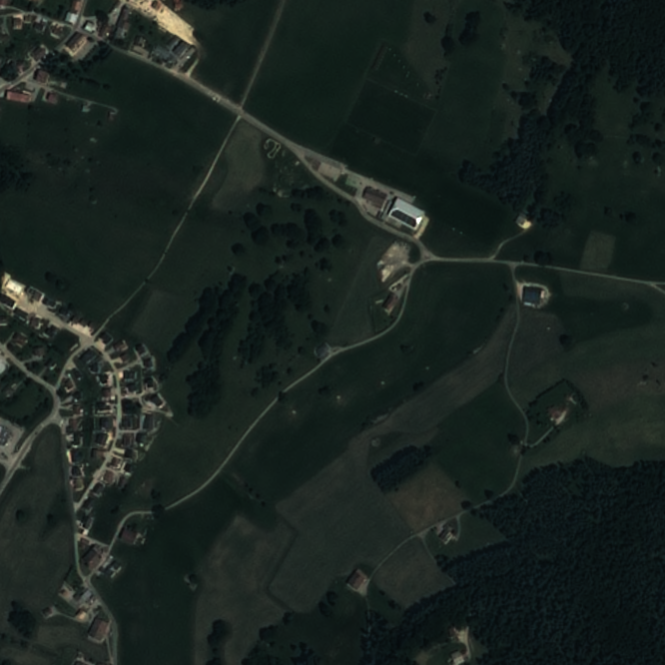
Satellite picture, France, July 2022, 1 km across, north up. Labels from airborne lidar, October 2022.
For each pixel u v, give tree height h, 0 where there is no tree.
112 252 0
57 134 0
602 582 16
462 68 0
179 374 0
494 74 0
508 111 0
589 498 19
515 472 0
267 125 0
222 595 0
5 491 0
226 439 0
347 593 0
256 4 0
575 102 19
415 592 0
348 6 0
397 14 0
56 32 6
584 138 11
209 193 0
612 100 0
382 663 25
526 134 21
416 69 0
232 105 0
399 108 0
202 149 0
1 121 0
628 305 0
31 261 0
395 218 0
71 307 10
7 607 0
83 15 0
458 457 0
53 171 0
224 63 0
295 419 0
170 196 0
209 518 0
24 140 0
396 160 0
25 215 0
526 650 15
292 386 0
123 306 0
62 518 0
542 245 0
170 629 0
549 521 19
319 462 0
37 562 0
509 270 0
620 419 0
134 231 0
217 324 12
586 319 0
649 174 0
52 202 0
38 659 0
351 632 0
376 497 0
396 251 0
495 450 0
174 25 0
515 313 0
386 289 0
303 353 9
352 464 0
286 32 0
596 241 0
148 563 0
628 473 15
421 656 0
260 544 0
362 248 0
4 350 0
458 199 0
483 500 0
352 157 0
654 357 0
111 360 0
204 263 0
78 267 0
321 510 0
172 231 0
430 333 0
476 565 23
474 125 0
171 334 0
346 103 0
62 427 0
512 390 0
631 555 18
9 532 0
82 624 0
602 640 16
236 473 0
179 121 0
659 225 0
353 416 0
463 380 0
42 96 0
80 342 0
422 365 0
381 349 0
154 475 0
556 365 0
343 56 0
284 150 0
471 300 0
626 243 0
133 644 0
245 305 0
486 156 0
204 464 0
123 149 0
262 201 0
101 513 0
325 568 0
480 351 0
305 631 0
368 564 0
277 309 17
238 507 0
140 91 0
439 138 0
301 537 0
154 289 0
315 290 0
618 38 27
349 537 0
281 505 0
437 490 0
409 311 0
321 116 0
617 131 0
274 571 0
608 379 0
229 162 0
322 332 16
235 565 0
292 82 0
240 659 0
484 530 0
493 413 0
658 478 10
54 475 0
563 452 0
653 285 0
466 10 0
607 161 0
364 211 0
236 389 0
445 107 0
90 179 0
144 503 0
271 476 0
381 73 0
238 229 0
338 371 0
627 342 0
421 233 0
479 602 25
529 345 0
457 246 0
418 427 0
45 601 0
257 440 0
